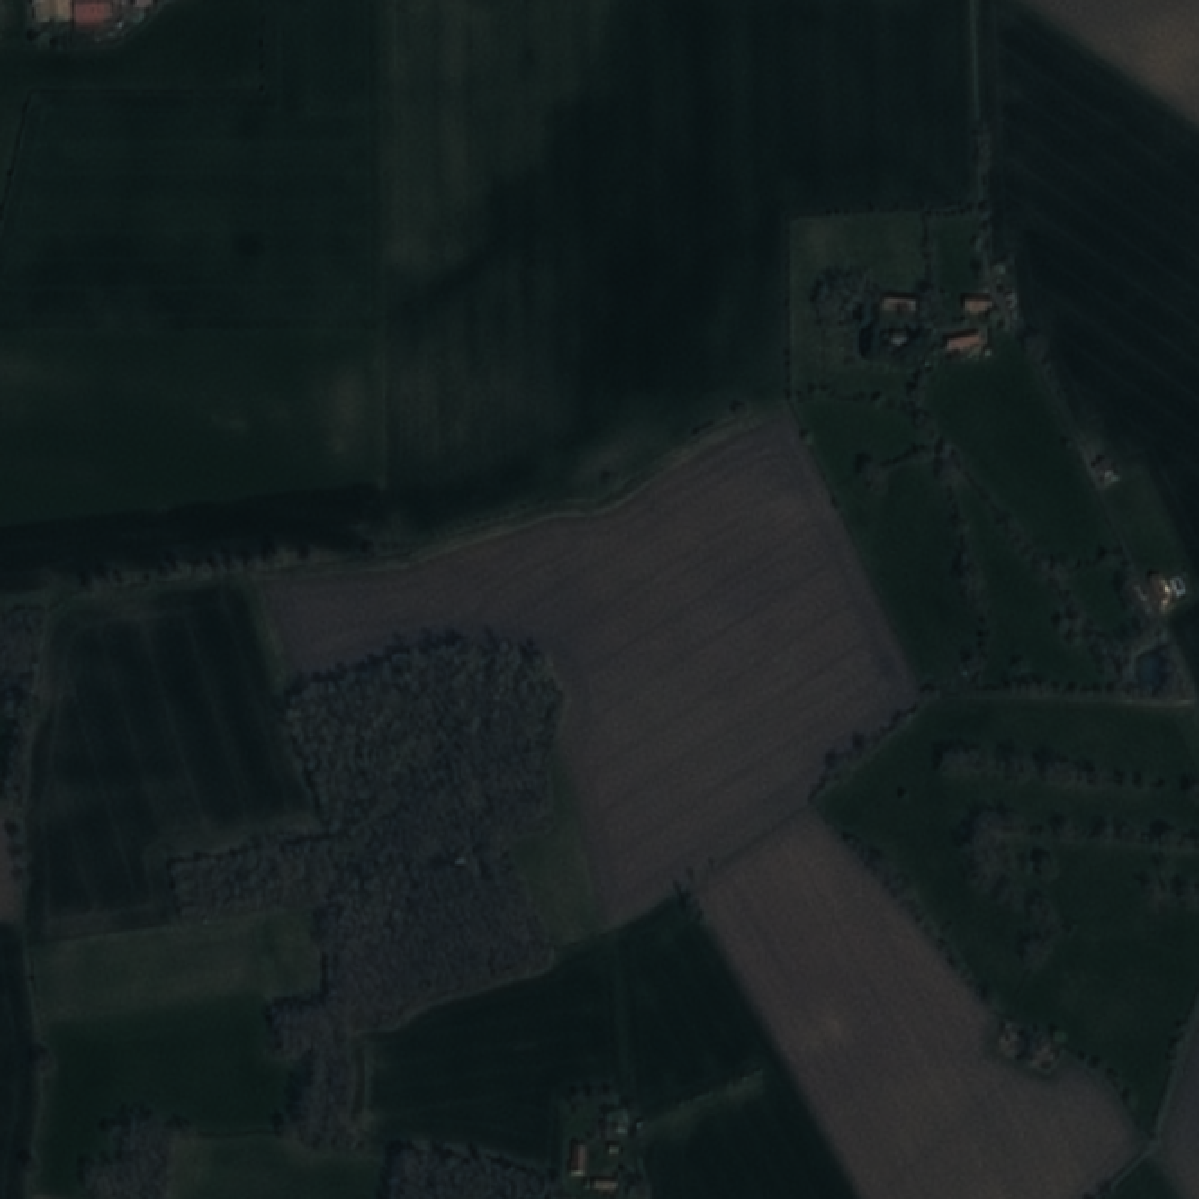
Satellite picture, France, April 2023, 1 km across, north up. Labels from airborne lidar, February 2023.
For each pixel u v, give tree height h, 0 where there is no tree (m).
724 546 0
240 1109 0
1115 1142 0
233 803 0
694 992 0
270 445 0
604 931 0
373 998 25
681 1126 0
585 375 0
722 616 0
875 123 0
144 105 0
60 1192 0
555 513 0
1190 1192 0
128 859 0
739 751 0
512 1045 0
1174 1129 0
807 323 0
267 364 0
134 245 0
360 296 0
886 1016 0
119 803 0
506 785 32
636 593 0
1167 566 0
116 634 0
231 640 0
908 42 0
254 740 0
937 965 0
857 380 0
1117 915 0
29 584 0
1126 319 0
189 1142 11
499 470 0
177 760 0
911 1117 0
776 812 0
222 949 0
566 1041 0
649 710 0
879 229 0
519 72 0
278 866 12
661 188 0
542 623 0
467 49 0
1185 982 0
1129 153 0
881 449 0
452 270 0
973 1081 0
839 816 0
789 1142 0
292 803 0
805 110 0
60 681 0
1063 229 0
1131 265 0
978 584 17
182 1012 0
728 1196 0
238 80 0
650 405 0
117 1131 14
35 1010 0
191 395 0
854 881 0
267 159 0
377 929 36
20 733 23
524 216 0
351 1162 0
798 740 0
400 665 14
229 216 0
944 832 0
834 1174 0
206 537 0
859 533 0
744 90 0
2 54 0
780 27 0
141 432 0
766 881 0
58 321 0
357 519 0
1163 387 0
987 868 20
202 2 0
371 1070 0
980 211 7
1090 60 0
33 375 0
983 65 0
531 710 32
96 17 0
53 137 0
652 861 0
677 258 0
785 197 0
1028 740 0
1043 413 0
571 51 0
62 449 0
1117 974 0
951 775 18
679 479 0
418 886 25
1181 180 0
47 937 0
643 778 0
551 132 0
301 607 0
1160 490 0
